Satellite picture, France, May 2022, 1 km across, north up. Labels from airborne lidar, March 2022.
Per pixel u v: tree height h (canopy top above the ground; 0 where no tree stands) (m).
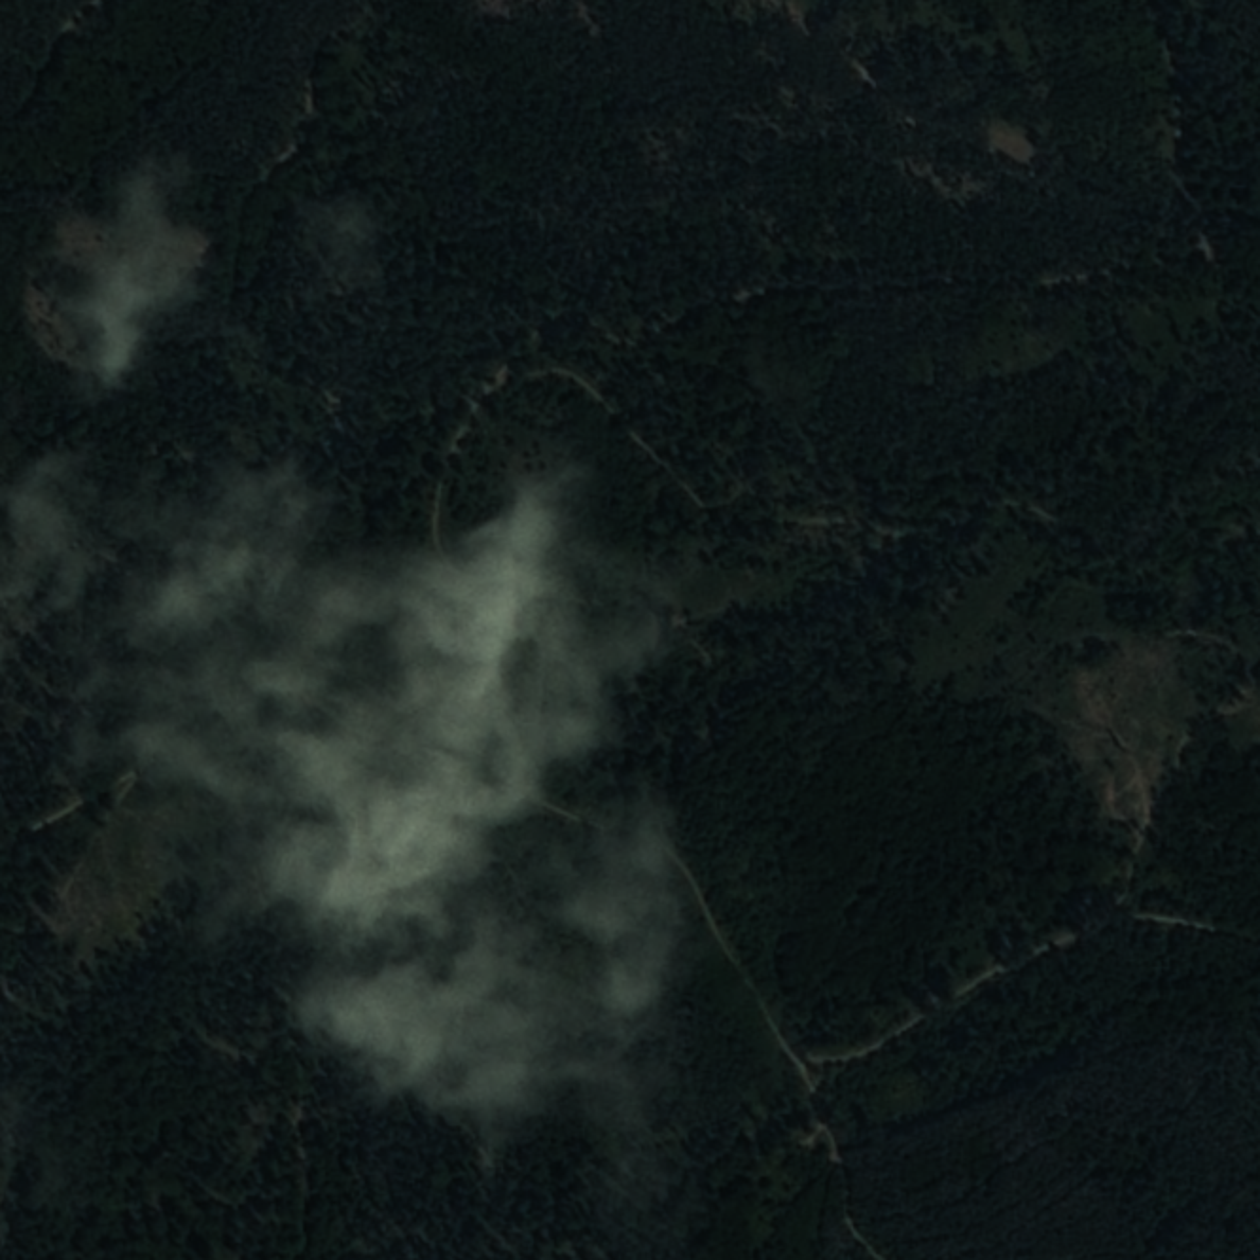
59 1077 31
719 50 28
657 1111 18
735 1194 18
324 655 8
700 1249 18
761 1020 12
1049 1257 20
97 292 22
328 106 23
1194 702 0
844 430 20
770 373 13
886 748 10
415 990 11
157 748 23
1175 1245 24
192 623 28
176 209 22
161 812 0
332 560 14
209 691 24
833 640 33
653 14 24
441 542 0
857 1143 9
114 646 28
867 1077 9
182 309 28
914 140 19
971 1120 18
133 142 31
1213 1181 21
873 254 21
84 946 0
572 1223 31
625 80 23
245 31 31
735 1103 11
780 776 7
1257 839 13
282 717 31
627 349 8
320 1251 12
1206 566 0
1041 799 12
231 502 26
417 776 13
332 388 34
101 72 23
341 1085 29
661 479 17
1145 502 10
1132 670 0
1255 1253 21
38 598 0
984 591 0
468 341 30
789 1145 17
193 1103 33
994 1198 20
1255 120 35
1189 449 13
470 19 14
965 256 24
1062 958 15
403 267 22
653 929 22
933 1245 18
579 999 7
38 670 23
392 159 20
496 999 7
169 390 28
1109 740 0
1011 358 0
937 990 35
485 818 9
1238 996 22
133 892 0
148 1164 34
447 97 18
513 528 12
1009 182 21
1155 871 9
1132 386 26
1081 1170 22
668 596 0
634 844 15
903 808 11
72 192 23
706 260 24
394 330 25
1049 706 0
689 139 25
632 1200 32
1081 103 6
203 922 32
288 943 29
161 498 29
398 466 34
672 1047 17
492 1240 30
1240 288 23
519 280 26
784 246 21
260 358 30
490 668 8
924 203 18
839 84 21
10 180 26
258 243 13
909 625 31
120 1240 34
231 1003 34
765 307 15
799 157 24
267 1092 28
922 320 23
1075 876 12
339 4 27
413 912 29
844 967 18
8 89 25
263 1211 31
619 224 24
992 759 14
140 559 27
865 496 17
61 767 34
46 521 18
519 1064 17
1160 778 0
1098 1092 28
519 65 17
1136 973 15
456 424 14
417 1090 30
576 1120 17
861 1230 8
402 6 18
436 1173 33
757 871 8
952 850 10
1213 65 41
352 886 33
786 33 21
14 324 22
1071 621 0
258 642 23
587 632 7
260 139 25
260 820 23
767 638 34
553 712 10
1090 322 8
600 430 17
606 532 11
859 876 15
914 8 6
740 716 16
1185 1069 28
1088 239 22
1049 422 13
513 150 22
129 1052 34
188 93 24
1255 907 12
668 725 17
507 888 30
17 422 19
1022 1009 39
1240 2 22
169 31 22
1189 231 19
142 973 30
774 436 25
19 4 21
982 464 11
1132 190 11
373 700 10
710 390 27
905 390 19
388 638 15
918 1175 12
